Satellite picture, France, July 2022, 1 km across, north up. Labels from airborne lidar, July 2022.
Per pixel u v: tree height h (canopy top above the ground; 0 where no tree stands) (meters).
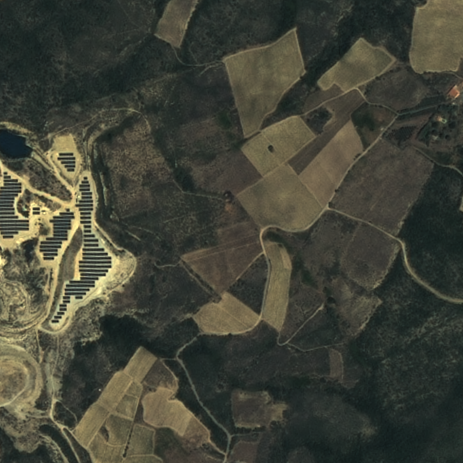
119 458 0
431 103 8
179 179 10
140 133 0
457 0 0
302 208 0
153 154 0
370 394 6
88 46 0
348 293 0
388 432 6
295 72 0
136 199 0
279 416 0
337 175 0
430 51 0
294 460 0
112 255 0
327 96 0
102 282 0
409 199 0
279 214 0
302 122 0
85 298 0
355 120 0
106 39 0
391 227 0
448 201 7
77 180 0
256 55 0
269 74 0
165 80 0
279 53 0
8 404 0
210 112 0
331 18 0
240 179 0
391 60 0
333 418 0
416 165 0
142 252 0
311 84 5
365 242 0
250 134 0
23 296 0
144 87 0
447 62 0
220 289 0
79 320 0
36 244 0
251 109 0
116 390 0
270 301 0
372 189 0
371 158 0
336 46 9
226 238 0
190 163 0
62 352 0
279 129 0
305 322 0
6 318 0
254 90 0
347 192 0
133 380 0
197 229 0
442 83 0
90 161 0
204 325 0
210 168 0
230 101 0
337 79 0
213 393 0
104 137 0
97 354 0
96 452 0
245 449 0
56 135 0
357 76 0
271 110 0
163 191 0
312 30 0
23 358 0
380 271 0
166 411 0
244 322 0
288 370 0
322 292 0
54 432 6
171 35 0
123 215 0
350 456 6
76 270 0
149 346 6
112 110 0
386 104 0
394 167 0
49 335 0
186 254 0
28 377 0
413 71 0
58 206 0
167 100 0
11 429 0
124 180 0
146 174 0
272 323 0
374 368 6
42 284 0
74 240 0
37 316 0
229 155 0
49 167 0
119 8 0
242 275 0
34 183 0
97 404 0
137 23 0
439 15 0
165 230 0
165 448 0
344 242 0
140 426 0
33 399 0
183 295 0
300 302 0
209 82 0
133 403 0
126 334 6
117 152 0
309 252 0
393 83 0
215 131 0
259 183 0
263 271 0
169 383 0
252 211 0
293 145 0
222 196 0
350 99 0
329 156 0
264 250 0
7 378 0
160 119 0
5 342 0
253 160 0
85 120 0
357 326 0
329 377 0
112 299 0
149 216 0
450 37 0
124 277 0
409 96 0
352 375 0
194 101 0
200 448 0
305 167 0
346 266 0
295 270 0
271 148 8
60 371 0
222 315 0
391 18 7
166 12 0
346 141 0
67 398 0
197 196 0
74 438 0
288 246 0
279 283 0
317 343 0
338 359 0
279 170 0
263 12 0
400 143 6
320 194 0
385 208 0
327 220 0
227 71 0
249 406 0
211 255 0
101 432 0
